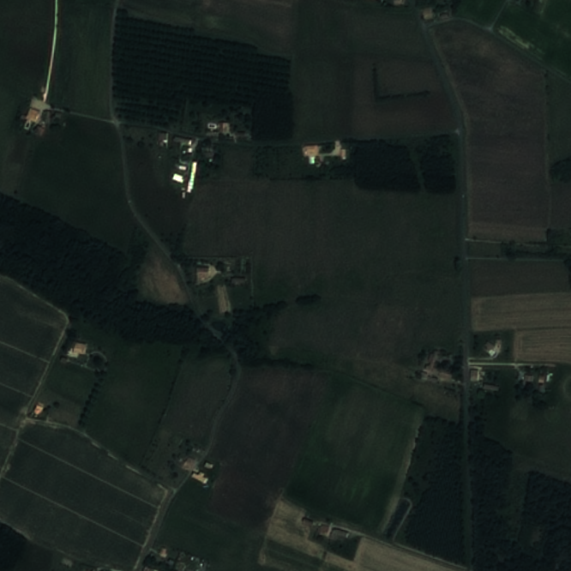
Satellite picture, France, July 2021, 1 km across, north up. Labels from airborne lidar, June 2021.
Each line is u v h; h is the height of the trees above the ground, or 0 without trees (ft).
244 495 0
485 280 0
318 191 0
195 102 43
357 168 39
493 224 0
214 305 0
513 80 0
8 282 0
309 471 0
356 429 0
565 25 0
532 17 0
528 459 0
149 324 75
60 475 0
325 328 0
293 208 0
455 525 31
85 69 0
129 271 24
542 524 32
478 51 0
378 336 0
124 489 0
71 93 0
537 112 0
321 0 0
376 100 19
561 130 0
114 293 62
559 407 0
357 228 0
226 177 0
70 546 0
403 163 48
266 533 0
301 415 0
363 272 0
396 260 0
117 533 0
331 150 24
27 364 0
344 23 0
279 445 0
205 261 20
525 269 0
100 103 0
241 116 44
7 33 0
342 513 0
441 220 0
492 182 0
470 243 0
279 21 0
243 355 75
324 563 0
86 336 0
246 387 0
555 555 48
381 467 0
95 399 45
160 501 0
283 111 47
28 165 0
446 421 39
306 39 0
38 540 0
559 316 0
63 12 0
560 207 0
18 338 0
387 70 0
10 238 29
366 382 0
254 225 0
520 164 0
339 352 0
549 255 25
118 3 0
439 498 26
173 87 39
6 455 0
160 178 0
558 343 0
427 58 0
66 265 57
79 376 0
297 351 0
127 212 0
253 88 34
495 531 52
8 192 0
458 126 0
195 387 0
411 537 26
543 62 0
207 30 0
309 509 0
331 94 0
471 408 37
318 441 0
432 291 0
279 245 0
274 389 0
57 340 0
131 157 0
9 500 0
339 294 0
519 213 0
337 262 0
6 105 0
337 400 0
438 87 0
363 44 0
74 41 0
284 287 0
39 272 52
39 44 0
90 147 0
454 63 0
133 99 33
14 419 0
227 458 0
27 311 0
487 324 0
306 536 0
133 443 0
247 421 0
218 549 0
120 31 31
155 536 0
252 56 45
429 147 17
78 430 0
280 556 0
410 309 0
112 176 0
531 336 0
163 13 0
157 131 0
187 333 72
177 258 40
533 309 0
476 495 40
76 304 65
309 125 0
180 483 0
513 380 0
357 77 0
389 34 0
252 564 0
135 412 0
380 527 0
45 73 0
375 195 0
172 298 0
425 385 0
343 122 0
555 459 0
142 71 44
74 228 22
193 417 0
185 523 0
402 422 0
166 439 0
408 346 0
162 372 0
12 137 0
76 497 0
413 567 0
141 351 0
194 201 0
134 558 0
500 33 0
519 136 0
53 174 0
